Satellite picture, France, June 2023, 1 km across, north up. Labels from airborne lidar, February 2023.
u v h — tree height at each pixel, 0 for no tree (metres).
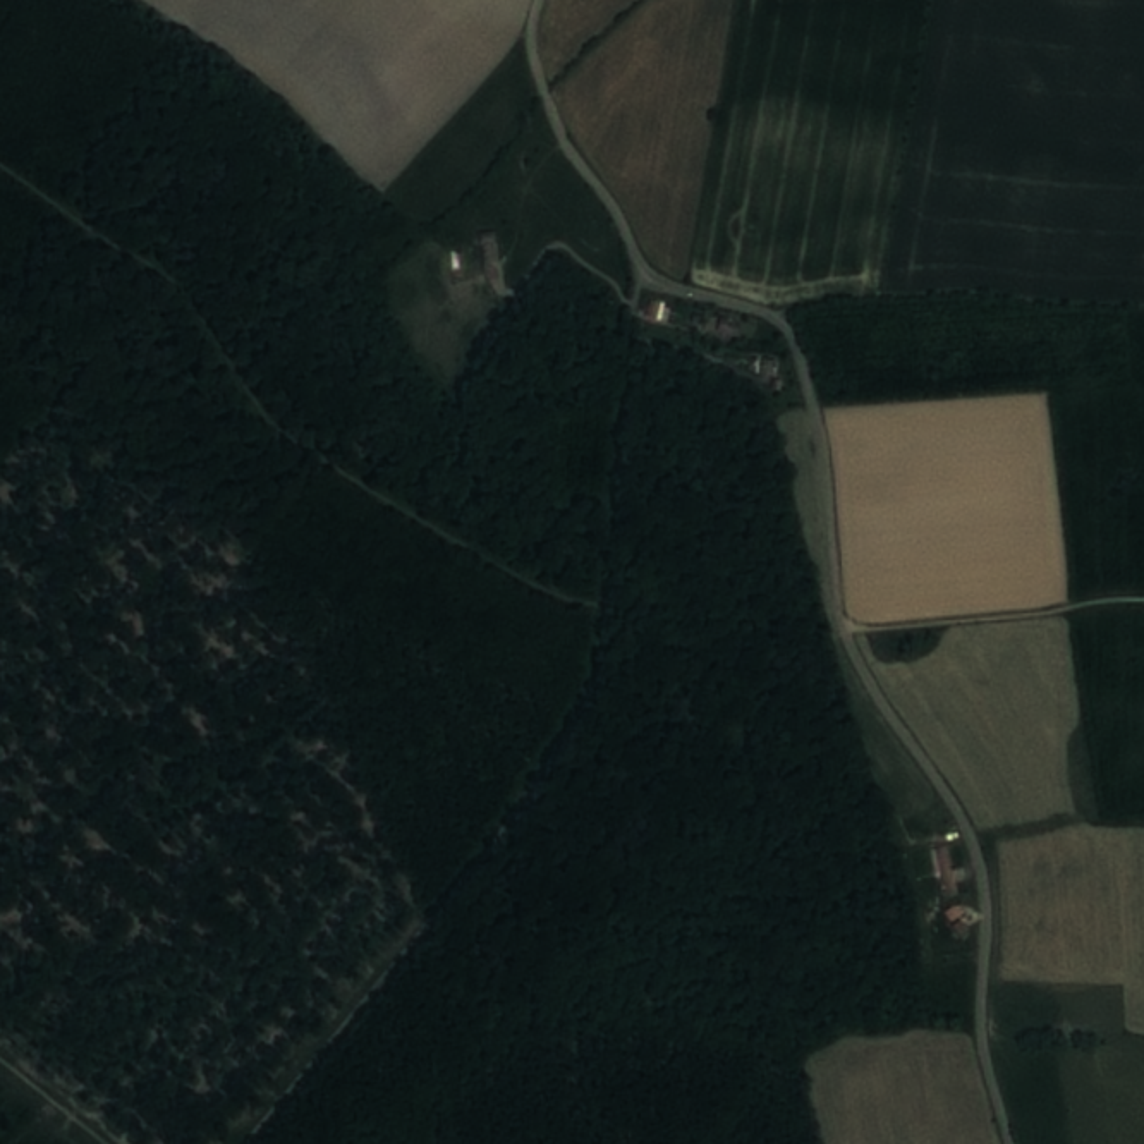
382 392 23
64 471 29
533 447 21
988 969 0
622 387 17
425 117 0
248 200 28
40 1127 0
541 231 0
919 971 21
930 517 0
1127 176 0
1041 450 0
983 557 0
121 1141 0
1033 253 0
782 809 23
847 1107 0
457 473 24
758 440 26
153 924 27
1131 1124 0
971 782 0
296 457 23
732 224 0
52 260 30
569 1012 21
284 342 28
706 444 25
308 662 28
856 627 0
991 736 0
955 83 0
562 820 29
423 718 15
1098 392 0
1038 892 0
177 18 0
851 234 0
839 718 24
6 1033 22
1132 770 0
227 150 29
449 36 0
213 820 29
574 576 26
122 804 29
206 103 24
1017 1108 0
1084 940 0
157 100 25
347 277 20
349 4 0
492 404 21
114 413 27
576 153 0
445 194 0
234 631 28
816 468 0
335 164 20
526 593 14
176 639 29
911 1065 0
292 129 13
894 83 0
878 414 0
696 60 0
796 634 30
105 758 24
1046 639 0
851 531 0
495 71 0
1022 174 0
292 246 31
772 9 0
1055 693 0
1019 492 0
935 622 0
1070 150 0
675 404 23
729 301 0
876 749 0
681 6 0
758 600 26
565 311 21
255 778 26
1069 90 0
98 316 30
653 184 0
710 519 25
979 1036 0
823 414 0
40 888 35
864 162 0
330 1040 0
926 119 0
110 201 30
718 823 25
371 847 24
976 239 0
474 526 24
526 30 0
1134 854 0
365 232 21
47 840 28
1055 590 0
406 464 24
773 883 25
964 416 0
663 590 24
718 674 30
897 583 0
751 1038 20
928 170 0
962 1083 0
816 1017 22
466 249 0
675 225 0
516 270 0
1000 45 0
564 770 28
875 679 0
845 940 24
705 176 0
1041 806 0
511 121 0
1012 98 0
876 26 0
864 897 25
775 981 20
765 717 24
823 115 0
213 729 29
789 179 0
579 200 0
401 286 0
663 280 0
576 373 22
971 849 0
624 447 20
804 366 0
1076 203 0
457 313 0
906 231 0
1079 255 0
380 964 0
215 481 28
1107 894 0
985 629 0
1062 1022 0
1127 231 0
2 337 14
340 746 31
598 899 26
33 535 32
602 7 0
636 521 28
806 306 7
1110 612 0
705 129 0
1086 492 0
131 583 31
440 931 26
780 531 18
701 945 22
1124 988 0
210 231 27
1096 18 0
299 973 22
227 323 26
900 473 0
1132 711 0
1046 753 0
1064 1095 0
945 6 0
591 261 0
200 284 21
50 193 10
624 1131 23
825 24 0
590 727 25
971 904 0
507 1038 23
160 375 28
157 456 27
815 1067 0
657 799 28
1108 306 5
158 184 30
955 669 0
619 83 0
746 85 0
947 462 0
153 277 21
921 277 0
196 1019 22
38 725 32
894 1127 0
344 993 0
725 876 26
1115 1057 0
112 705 33
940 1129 0
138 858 32
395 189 0
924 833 0
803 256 0
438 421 22
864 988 23
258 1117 0
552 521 20
